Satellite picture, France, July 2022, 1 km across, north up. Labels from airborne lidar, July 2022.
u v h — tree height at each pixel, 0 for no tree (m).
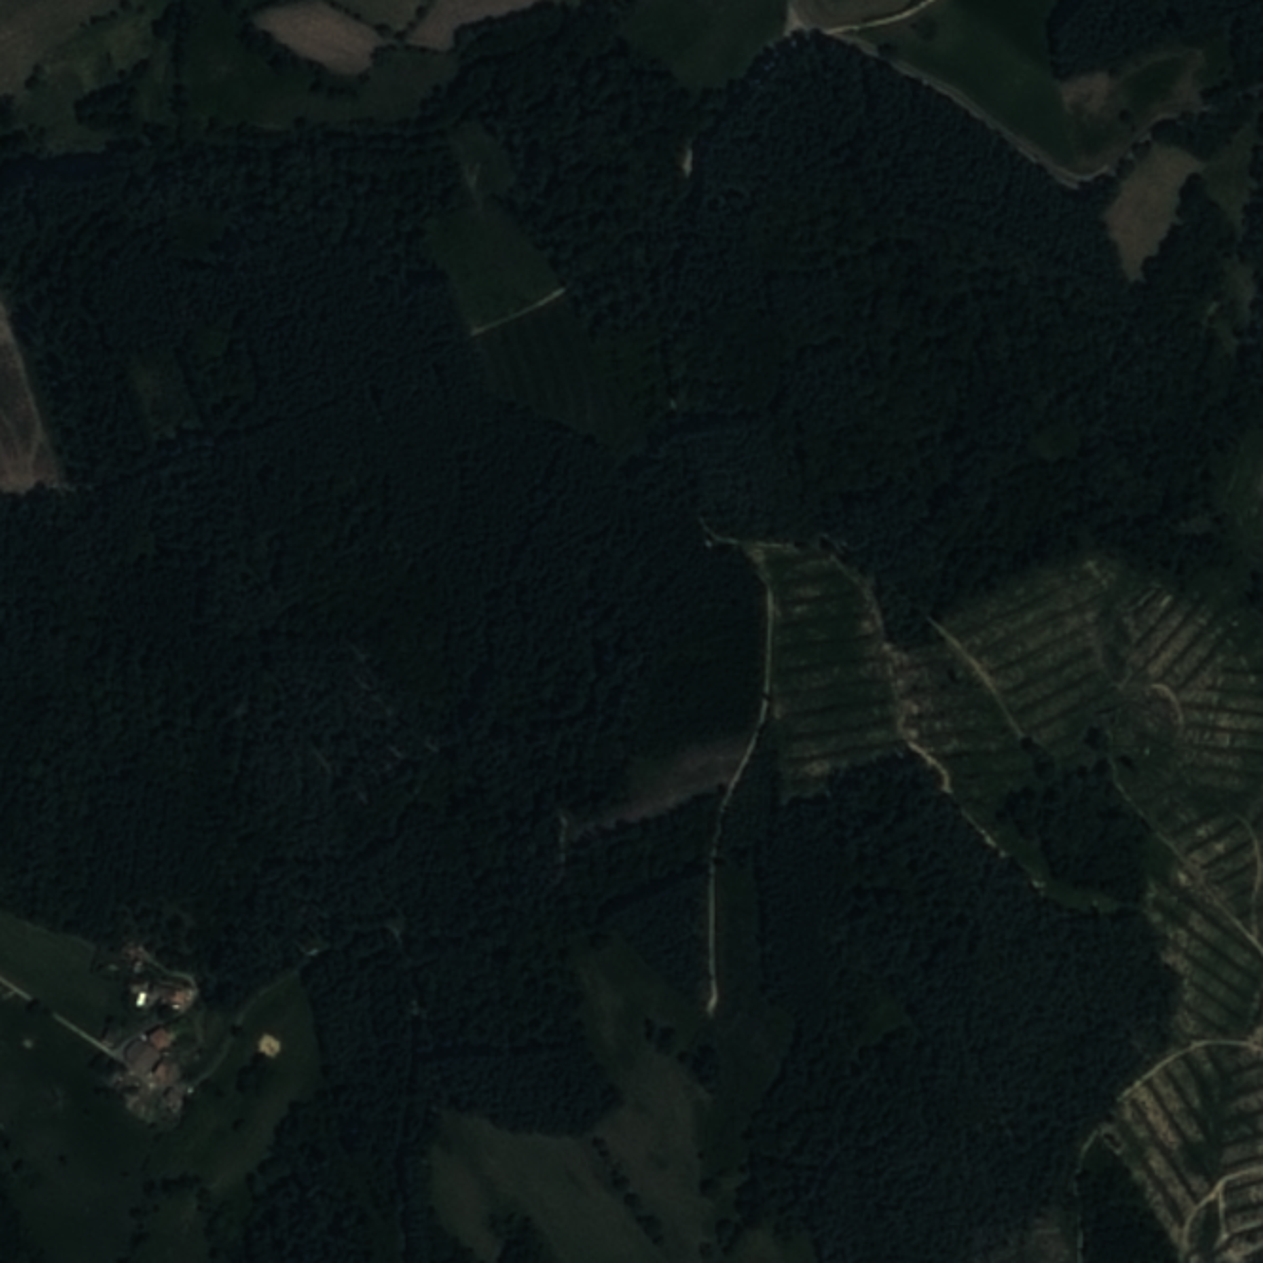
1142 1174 0
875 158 31
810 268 20
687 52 0
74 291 21
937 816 21
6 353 0
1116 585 0
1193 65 0
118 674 18
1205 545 23
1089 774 19
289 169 24
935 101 33
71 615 21
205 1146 0
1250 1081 0
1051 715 0
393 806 13
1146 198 0
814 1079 19
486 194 0
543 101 6
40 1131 0
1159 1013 12
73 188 41
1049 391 21
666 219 16
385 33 12
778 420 26
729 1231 15
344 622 19
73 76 0
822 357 37
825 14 0
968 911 17
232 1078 0
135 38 0
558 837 23
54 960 0
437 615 21
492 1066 32
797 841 17
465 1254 15
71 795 20
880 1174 17
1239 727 0
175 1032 9
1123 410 23
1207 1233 0
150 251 18
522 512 18
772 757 7
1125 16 32
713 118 15
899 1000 9
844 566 16
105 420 20
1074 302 19
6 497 19
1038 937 21
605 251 15
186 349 19
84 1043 0
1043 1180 22
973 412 30
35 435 0
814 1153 23
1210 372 29
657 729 5
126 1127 0
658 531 20
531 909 17
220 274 22
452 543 20
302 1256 21
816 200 23
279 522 28
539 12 15
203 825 14
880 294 21
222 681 16
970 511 40
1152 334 15
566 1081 19
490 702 34
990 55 0
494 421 18
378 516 16
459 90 19
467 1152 0
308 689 23
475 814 23
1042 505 14
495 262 0
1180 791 0
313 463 27
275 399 24
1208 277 17
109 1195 0
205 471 28
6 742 18
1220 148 18
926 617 17
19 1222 13
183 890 18
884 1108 18
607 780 20
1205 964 0
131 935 8
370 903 27
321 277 28
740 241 22
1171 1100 0
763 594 20
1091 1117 18
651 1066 0
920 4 6
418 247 20
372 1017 21
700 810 14
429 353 25
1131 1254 12
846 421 25
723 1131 0
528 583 23
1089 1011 19
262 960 29
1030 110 0
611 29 25
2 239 35
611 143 17
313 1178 28
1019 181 36
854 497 7
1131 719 0
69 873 19
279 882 35
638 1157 0
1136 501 21
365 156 22
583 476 28
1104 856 19
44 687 20
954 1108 19
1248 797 0
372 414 26
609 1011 0
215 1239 16
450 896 19
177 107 16
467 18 0
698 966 28
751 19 0
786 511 20
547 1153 0
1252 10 32
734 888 0
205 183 20
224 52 0
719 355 15
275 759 24
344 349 28
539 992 20
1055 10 0
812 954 17
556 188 18
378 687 32
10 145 17
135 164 22
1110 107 0
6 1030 0
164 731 12
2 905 16
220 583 29
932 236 25
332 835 23
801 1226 13
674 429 8
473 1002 24
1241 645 0
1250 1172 0
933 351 21
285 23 0
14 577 23
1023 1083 17
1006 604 0
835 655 0
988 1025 22
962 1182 16
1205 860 0
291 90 0
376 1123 18
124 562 11
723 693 6
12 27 0
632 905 29
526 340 0
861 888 9
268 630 13
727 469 34
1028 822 22
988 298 19
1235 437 22
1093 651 0
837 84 29
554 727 16
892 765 20
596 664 8
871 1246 22
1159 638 0
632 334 7
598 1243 0
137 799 23
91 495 12
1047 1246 0
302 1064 0
